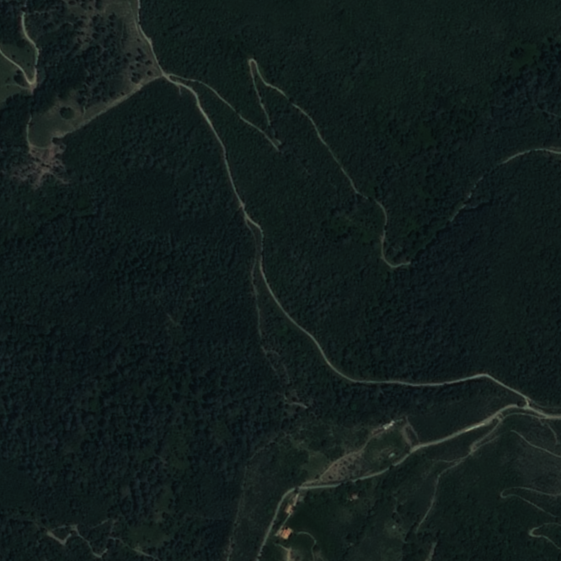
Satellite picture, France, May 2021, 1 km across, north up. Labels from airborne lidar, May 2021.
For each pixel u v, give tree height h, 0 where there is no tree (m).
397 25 8
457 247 16
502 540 12
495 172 11
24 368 21
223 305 12
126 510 17
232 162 6
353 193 11
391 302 12
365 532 8
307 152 12
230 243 12
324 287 7
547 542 9
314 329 12
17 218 14
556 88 15
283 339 9
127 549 5
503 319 10
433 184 23
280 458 11
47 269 9
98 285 15
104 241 12
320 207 10
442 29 14
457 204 9
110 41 13
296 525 0
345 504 10
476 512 7
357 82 11
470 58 9
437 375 14
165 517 10
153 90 9
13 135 7
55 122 0
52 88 16
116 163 12
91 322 17
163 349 22
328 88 13
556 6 7
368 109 9
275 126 17
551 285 13
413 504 7
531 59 9
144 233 21
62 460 6
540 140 9
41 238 8
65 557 9
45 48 11
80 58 17
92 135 10
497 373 8
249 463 9
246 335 11
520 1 12
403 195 13
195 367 15
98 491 8
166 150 20
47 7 12
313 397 17
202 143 9
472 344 8
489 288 10
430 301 14
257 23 7
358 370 15
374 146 13
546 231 12
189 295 20
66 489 11
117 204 15
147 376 21
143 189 16
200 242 22
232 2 5
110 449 20
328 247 14
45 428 18
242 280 9
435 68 10
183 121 9
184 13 10
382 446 0
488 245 14
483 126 20
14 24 8
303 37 11
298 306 16
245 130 10
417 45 7
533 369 18
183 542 15
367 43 11
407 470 7
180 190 14
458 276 13
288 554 0
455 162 13
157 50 7
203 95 6
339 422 6
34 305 14
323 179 11
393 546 0
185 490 13
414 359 13
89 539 10
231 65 9
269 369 10
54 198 13
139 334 16
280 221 13
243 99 10
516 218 11
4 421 24
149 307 16
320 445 8
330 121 13
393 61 10
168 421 13
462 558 20
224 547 11
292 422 8
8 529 17
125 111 9
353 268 13
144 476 22
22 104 16
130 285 6
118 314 13
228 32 7
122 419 18
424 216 20
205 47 7
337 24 8
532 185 8
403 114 10
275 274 14
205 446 15
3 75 0
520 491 7
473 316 15
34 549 9
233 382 17
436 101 13
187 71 6
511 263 13
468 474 6
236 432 16
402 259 15
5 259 13
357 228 11
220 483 8
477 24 9
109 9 0
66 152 9
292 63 7
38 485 8
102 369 20
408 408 15
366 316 13
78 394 28
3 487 7
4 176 16
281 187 8
